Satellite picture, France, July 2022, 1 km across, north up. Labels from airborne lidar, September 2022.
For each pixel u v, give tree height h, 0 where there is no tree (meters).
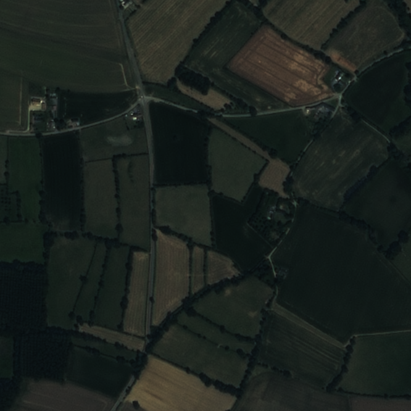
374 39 0
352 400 0
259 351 10
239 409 0
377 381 0
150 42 0
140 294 0
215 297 0
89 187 0
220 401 0
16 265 24
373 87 0
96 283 0
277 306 0
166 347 0
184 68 15
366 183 24
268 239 6
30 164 0
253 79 0
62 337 34
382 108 0
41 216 11
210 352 0
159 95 0
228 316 0
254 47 0
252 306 0
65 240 0
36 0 0
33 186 0
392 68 0
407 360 0
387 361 0
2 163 0
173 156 0
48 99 5
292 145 0
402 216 0
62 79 0
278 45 0
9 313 36
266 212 0
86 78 0
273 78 0
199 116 6
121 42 0
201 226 0
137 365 12
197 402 0
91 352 15
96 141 0
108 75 0
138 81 0
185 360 0
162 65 0
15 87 0
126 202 0
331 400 0
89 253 0
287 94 0
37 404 0
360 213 0
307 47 8
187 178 0
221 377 0
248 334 0
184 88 0
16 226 0
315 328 0
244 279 13
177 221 0
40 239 0
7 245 0
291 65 0
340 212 9
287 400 0
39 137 19
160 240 0
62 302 0
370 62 0
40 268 22
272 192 11
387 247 0
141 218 0
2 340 0
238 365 0
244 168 0
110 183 0
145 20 0
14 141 0
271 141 0
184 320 0
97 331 0
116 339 0
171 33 0
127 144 0
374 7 0
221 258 0
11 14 0
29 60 0
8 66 0
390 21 0
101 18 0
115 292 0
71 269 0
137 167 0
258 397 0
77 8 0
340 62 0
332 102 0
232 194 0
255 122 0
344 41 0
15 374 16
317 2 0
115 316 0
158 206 0
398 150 24
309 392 0
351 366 0
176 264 0
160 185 7
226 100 0
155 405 0
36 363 41
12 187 0
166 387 0
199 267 0
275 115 0
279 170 0
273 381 0
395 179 0
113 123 0
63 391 0
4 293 32
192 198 0
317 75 0
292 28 0
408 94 28
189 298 10
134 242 0
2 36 0
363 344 0
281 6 0
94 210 0
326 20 0
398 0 23
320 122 7
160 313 0
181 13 0
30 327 30
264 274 17
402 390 0
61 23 0
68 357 35
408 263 0
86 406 0
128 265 11
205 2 0
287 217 13
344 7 0
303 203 17
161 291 0
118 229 14
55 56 0
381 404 0
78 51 0
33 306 35
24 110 0
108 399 0
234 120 0
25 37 0
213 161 0
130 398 0
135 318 0
